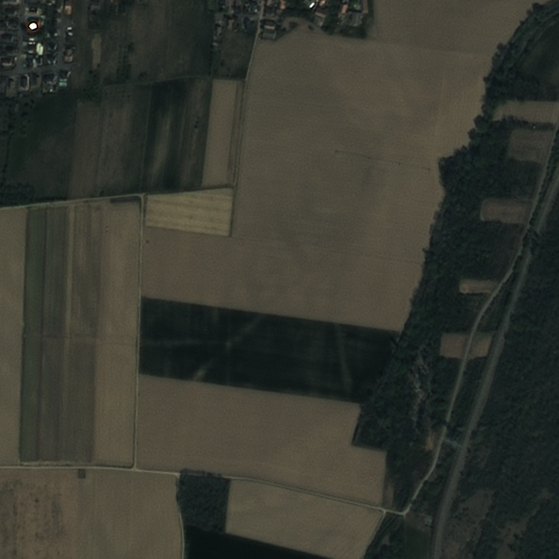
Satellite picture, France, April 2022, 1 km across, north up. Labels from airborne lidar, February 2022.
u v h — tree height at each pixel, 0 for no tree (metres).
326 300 0
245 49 0
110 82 0
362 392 0
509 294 6
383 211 0
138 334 0
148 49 0
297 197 0
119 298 0
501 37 0
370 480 0
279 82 0
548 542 11
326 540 0
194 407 0
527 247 10
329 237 0
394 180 0
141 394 0
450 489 0
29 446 0
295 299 0
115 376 0
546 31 0
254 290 0
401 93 0
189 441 0
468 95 0
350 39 0
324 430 0
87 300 0
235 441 0
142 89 0
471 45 0
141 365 0
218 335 0
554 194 0
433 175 0
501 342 0
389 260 0
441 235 17
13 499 0
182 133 0
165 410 0
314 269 0
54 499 0
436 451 0
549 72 0
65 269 0
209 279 0
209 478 16
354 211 0
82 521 0
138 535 0
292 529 0
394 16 0
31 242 0
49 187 0
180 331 0
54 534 0
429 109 0
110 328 0
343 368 0
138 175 0
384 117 0
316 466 0
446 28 0
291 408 0
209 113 0
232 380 0
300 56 0
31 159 0
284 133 0
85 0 0
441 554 0
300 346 0
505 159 18
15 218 0
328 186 0
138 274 0
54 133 0
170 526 0
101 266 0
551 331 10
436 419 10
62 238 0
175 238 0
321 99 0
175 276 0
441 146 0
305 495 0
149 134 0
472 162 21
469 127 0
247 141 0
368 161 0
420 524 0
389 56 0
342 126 0
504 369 8
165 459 0
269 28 0
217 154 0
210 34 0
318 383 0
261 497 0
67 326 0
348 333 0
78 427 0
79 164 0
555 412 7
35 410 0
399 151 0
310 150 0
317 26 0
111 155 0
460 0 0
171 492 0
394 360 21
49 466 0
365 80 0
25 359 0
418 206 0
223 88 0
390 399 15
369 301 0
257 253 0
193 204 0
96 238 0
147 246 0
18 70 0
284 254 0
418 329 14
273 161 0
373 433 14
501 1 0
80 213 0
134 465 0
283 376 0
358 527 0
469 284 0
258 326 0
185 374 0
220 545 0
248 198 0
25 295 0
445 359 10
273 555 0
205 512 18
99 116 0
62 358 0
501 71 25
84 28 0
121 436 0
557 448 9
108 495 0
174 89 0
